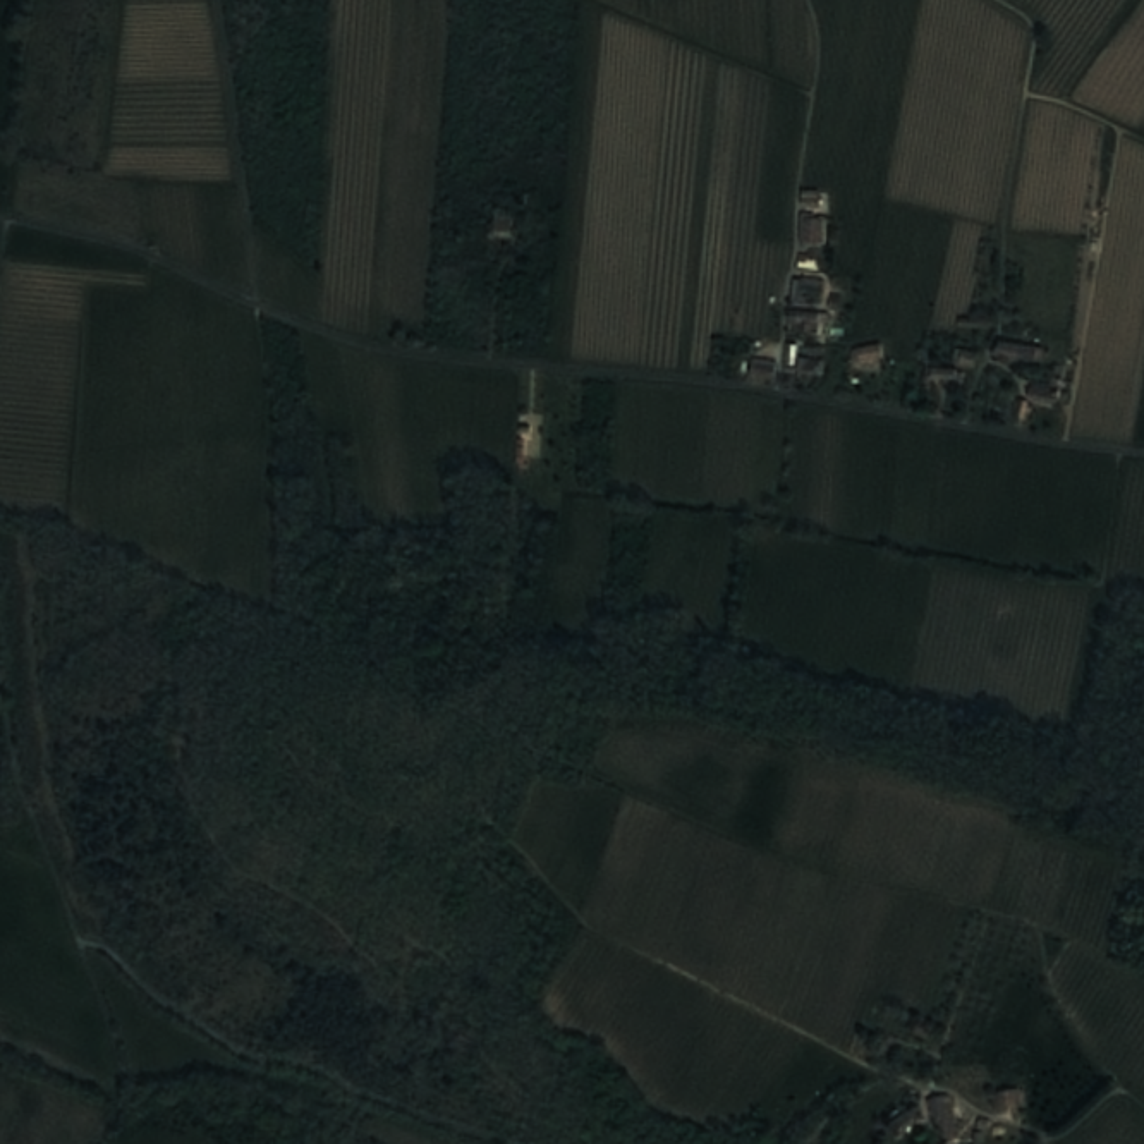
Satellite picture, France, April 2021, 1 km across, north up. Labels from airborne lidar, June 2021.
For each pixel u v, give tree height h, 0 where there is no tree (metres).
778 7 0
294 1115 17
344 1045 16
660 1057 0
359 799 14
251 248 0
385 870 15
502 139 6
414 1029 15
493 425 0
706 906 0
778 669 19
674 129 0
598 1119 22
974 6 0
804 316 0
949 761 20
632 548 8
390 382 0
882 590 0
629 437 0
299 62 5
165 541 0
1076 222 0
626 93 0
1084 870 0
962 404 7
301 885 16
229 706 14
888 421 0
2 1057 14
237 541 0
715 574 0
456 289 10
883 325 0
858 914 0
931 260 0
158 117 0
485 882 19
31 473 0
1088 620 0
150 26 0
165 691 9
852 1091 7
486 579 25
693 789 0
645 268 0
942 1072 13
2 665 14
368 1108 10
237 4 7
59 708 12
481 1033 11
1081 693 0
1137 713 21
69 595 12
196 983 8
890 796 0
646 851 0
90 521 0
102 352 0
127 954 12
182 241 0
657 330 0
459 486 15
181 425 0
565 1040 15
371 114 0
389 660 25
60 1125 0
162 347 0
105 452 0
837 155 0
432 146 0
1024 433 0
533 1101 21
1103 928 0
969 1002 6
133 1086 15
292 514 26
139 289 0
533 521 13
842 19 0
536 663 21
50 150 6
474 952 16
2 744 7
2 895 0
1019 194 0
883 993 0
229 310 0
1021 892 0
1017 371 10
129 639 16
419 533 16
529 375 0
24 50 12
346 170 0
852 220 0
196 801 17
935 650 0
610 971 0
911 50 0
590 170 0
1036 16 0
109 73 0
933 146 0
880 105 0
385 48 0
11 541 5
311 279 0
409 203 0
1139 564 0
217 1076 17
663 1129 17
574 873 0
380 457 0
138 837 15
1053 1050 0
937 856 0
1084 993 0
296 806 16
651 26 0
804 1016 0
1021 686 0
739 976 0
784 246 0
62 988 0
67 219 0
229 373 0
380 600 15
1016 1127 0
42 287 0
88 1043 0
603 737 8
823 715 19
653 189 0
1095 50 0
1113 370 0
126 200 0
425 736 14
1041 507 0
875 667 0
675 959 0
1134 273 0
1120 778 24
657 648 21
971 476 0
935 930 0
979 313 12
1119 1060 0
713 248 0
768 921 0
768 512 10
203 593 9
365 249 0
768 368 0
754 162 0
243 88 8
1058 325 0
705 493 0
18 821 14
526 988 15
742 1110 0
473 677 9
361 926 9
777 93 0
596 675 23
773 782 0
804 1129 17
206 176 0
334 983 16
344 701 14
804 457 0
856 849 0
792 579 0
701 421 0
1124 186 0
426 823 13
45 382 0
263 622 16
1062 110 0
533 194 7
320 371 0
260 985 0
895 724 20
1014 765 21
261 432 0
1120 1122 0
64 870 8
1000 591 0
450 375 0
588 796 0
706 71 0
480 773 17
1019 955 7
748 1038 0
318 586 18
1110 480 0
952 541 0
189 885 10
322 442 17
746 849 0
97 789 14
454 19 7
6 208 0
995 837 0
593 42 0
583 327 0
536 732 17
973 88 0
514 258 12
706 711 19
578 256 0
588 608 0
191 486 0
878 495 0
